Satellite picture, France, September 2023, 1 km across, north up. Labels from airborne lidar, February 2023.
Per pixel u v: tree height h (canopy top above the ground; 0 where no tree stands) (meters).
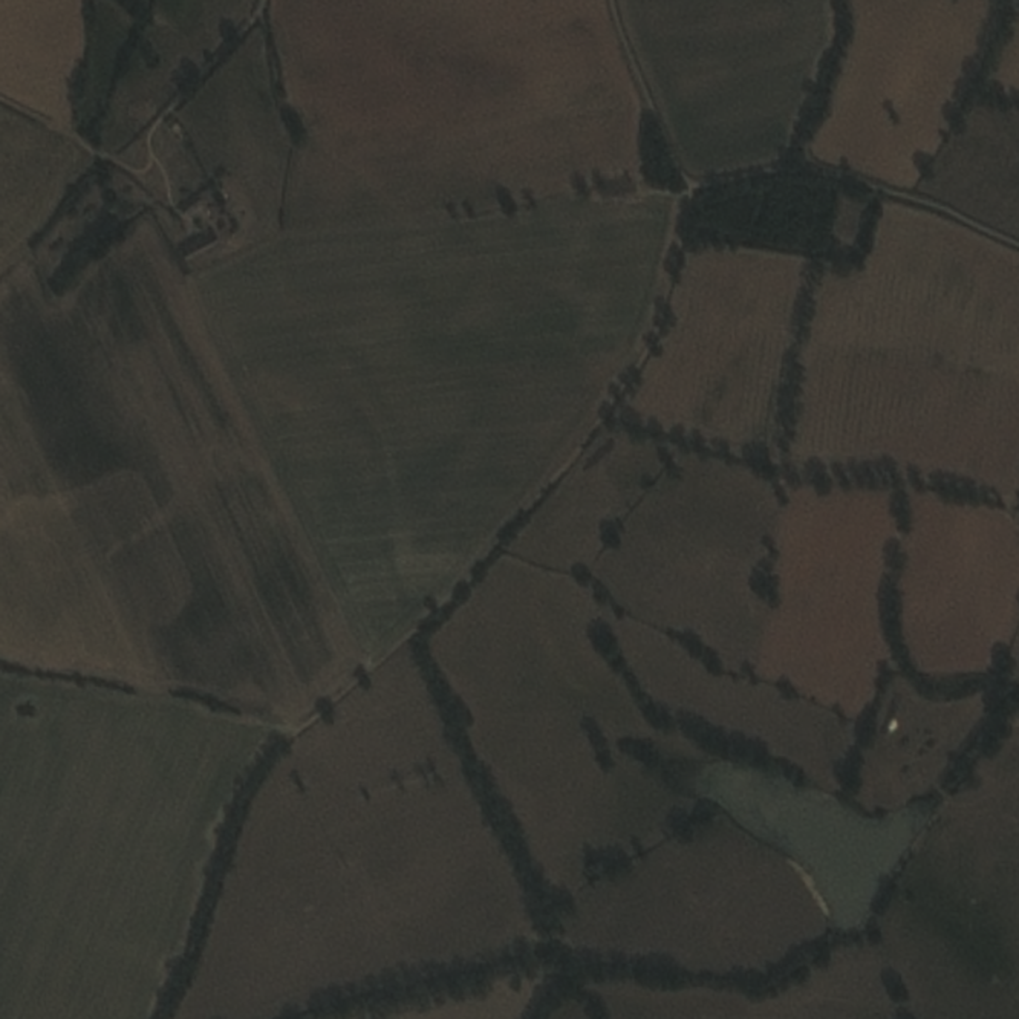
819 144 0
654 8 0
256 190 0
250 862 0
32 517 0
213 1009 0
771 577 18
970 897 0
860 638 0
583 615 0
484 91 0
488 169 0
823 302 0
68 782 0
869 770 0
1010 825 0
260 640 0
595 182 14
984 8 0
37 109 0
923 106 0
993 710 25
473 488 0
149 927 0
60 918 0
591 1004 15
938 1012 0
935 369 0
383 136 0
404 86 0
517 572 0
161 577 0
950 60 0
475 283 0
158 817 0
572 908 15
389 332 0
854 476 18
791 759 0
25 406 0
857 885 0
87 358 0
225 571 0
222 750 0
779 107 0
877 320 0
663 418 0
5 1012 0
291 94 0
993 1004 0
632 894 0
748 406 0
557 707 0
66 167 0
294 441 0
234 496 0
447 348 0
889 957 0
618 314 0
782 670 0
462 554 0
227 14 0
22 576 0
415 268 0
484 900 0
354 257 0
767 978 8
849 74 0
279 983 0
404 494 0
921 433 0
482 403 0
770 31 0
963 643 0
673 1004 0
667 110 0
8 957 0
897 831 0
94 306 0
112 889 0
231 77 0
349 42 0
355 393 0
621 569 0
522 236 0
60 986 0
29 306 0
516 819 23
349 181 0
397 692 0
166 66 0
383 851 0
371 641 0
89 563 0
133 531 0
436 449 0
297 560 0
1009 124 0
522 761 0
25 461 0
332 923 0
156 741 0
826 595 0
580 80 0
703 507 0
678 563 0
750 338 0
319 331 0
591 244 0
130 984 0
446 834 0
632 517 0
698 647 19
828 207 15
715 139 0
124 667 0
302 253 0
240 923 0
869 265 0
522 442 0
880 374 0
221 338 0
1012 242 0
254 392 0
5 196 0
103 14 0
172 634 0
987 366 0
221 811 0
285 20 0
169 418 0
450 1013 0
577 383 0
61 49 0
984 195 0
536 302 0
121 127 0
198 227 10
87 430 0
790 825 0
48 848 0
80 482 0
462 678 0
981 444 0
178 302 0
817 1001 0
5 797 0
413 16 0
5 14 0
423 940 0
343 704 0
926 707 0
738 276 0
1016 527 0
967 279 0
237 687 0
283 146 0
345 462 0
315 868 0
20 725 0
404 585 0
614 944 0
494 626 0
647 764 22
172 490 0
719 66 0
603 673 0
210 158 0
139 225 0
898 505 18
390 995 24
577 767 0
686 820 15
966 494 16
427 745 0
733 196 6
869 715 13
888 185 0
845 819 0
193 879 0
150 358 0
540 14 0
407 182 0
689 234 18
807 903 0
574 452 0
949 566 0
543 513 0
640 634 0
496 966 22
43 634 0
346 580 0
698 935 0
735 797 0
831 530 0
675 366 0
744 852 0
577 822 0
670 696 0
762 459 20
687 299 0
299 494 0
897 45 0
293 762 0
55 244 0
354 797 0
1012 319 0
